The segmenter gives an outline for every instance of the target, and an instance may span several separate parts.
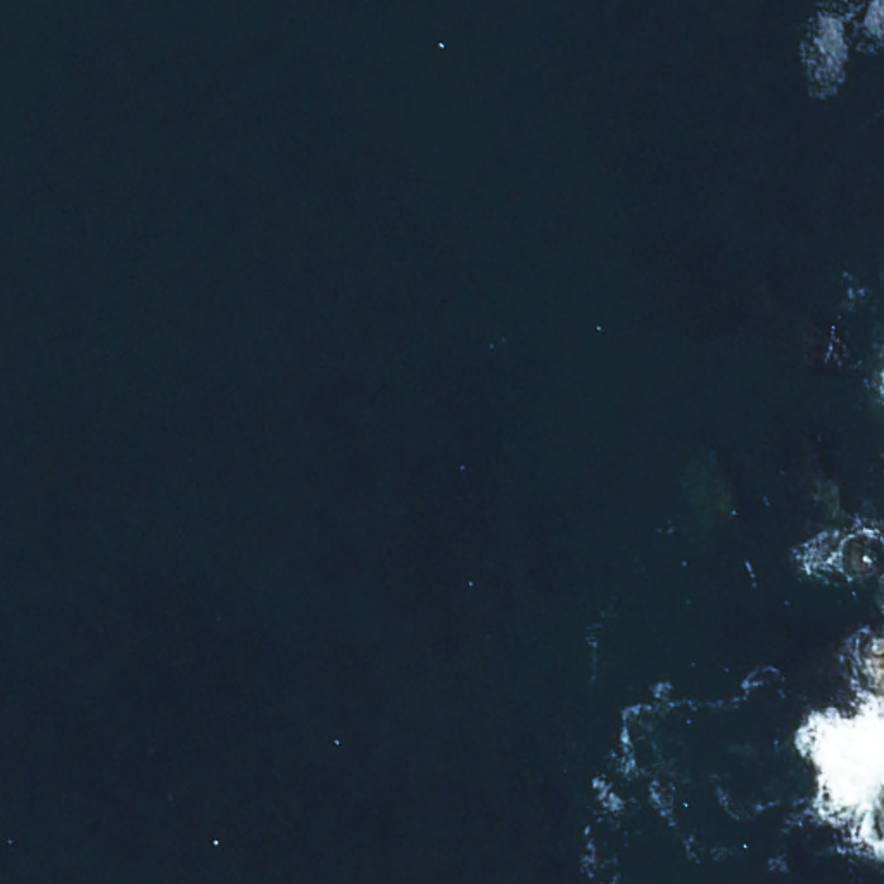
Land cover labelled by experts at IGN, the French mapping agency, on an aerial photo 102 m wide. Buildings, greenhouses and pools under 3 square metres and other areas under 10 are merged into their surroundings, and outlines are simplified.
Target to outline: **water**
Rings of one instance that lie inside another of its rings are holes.
[[[860,704],[849,691],[849,670],[867,670],[870,642],[884,639],[884,0],[0,0],[0,884],[884,884],[884,694],[867,698]]]

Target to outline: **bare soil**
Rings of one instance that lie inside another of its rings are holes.
[[[867,670],[849,670],[849,691],[860,704],[867,698],[884,694],[884,639],[870,642]]]

